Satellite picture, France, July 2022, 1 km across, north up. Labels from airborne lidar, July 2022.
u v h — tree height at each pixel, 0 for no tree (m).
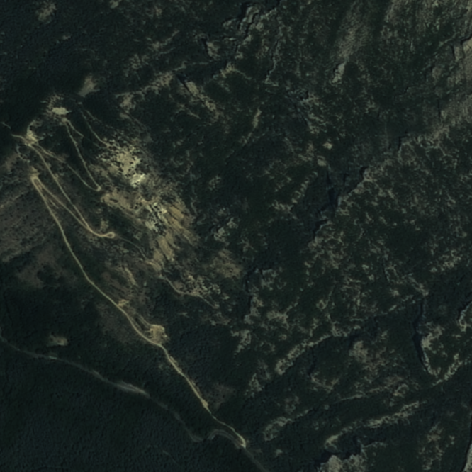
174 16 6
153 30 7
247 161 7
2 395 18
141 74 6
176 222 0
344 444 7
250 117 6
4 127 9
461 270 7
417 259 6
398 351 6
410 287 9
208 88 6
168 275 6
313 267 9
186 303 10
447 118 0
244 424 15
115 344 6
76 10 6
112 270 0
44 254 0
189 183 6
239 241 7
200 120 7
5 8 14
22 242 7
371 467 6
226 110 8
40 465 16
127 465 17
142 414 14
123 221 6
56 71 7
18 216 6
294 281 8
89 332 9
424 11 0
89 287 9
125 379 11
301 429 11
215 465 19
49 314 16
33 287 7
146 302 9
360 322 9
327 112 6
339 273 9
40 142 9
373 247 6
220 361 13
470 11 0
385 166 0
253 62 7
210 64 6
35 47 7
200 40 6
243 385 12
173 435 18
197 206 8
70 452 9
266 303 8
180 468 18
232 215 8
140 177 0
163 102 9
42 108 6
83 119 7
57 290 13
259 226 9
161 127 6
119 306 0
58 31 10
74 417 14
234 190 6
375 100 7
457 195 7
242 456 12
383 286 6
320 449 9
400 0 0
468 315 6
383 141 0
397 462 6
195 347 15
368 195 6
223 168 9
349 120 6
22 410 20
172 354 9
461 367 7
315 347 9
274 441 12
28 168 0
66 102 18
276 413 8
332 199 8
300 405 9
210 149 6
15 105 13
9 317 18
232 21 8
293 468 8
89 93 8
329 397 8
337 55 0
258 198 8
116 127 9
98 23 7
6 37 10
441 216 6
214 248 7
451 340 7
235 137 6
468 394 6
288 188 10
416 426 6
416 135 0
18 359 13
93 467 22
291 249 6
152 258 0
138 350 8
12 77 10
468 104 0
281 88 7
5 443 14
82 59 5
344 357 6
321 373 6
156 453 18
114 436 17
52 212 0
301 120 6
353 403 7
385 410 8
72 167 6
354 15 0
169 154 7
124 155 0
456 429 6
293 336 9
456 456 6
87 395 13
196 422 18
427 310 7
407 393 10
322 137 6
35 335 20
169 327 11
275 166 9
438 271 6
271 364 7
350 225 7
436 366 7
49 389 13
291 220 6
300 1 7
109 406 14
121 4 8
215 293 6
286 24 6
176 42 8
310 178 8
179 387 15
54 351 16
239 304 7
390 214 7
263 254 7
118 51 7
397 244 7
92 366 11
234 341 10
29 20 13
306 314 6
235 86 8
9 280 16
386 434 6
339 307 10
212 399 9
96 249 7
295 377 11
